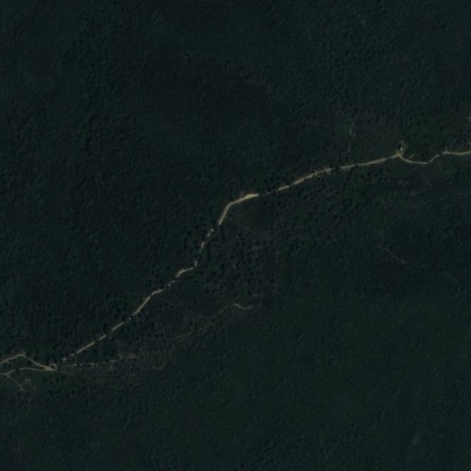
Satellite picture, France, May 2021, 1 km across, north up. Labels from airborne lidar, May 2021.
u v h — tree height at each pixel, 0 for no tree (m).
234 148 7
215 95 13
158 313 7
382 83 7
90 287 10
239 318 7
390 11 6
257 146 10
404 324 6
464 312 7
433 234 15
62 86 8
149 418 6
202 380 9
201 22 11
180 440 9
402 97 7
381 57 16
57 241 12
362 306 7
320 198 11
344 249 11
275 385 6
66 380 16
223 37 10
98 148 18
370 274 8
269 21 9
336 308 6
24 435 7
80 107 9
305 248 20
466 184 7
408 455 7
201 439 10
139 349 11
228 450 6
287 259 7
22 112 10
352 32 9
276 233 11
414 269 8
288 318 7
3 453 10
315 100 6
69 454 6
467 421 7
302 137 12
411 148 8
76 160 15
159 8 12
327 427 11
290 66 12
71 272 20
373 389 7
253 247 9
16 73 10
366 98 8
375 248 8
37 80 10
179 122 7
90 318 10
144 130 9
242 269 16
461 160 0
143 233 14
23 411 9
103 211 10
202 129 11
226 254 17
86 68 21
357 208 12
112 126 11
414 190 8
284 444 6
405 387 8
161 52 10
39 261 8
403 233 14
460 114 9
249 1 8
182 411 9
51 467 8
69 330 9
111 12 11
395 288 14
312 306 7
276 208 14
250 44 6
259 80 18
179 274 0
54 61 14
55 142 14
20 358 9
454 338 9
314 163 10
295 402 9
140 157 14
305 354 7
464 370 7
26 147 8
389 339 11
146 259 9
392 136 10
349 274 10
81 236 10
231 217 7
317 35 9
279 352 6
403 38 9
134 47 9
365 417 6
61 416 7
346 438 12
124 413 8
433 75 7
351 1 9
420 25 10
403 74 9
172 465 7
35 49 11
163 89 11
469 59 15
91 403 10
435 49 7
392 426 6
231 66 16
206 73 13
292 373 9
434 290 7
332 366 11
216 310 0
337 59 7
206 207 8
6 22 10
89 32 11
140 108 9
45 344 10
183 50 15
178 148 6
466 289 6
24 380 0
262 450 15
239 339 7
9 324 18
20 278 8
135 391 11
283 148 10
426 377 7
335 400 6
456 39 7
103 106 13
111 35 11
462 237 12
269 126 8
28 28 10
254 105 11
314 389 7
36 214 10
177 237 11
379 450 12
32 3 12
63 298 14
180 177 10
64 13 11
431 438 7
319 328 14
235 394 5
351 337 6
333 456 7
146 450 9
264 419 9
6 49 12
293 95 8
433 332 7
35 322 13
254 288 14
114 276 10
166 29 8
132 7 9
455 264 10
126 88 14
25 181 15
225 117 8
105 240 12
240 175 10
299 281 14
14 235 12
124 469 8
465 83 11
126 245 10
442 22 8
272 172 13
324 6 8
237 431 9
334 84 17
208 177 8
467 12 10
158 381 12
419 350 7
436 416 6
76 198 12
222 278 16
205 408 8
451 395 8
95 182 16
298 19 8
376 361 9
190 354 9
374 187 8
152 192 14
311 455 7
